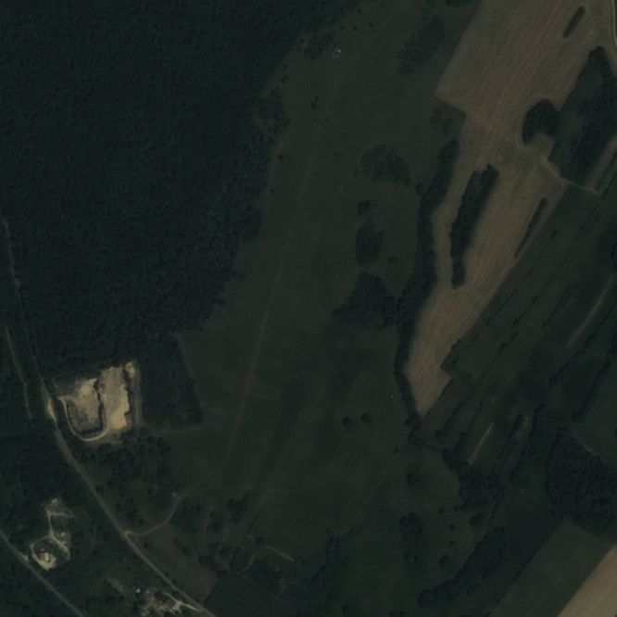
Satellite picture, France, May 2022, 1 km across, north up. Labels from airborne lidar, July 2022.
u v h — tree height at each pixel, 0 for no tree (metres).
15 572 14
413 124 0
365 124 0
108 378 0
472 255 0
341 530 0
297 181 0
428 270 15
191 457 0
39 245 19
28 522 8
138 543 0
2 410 15
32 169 17
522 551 0
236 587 0
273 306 0
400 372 11
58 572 14
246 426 0
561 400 0
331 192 0
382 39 0
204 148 15
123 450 7
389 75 0
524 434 0
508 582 0
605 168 0
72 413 0
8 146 16
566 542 0
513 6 0
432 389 0
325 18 7
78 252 16
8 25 19
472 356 0
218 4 18
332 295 0
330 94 0
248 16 14
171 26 21
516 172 0
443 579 0
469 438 8
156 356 6
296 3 13
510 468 0
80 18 17
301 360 0
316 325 0
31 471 15
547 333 0
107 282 14
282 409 0
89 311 19
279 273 0
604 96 10
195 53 18
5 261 17
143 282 22
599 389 17
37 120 20
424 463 0
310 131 0
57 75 20
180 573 0
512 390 0
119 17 18
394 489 0
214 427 0
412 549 0
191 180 13
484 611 0
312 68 0
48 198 19
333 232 0
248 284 0
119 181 17
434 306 0
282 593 16
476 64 0
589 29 0
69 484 13
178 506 0
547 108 14
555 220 0
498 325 0
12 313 12
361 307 15
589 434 0
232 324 0
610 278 0
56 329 16
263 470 0
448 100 0
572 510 19
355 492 0
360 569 0
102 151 17
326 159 0
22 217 17
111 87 17
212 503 0
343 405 0
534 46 0
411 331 16
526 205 0
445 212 0
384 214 0
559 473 20
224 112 14
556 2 0
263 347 0
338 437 0
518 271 0
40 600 17
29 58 18
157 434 0
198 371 0
